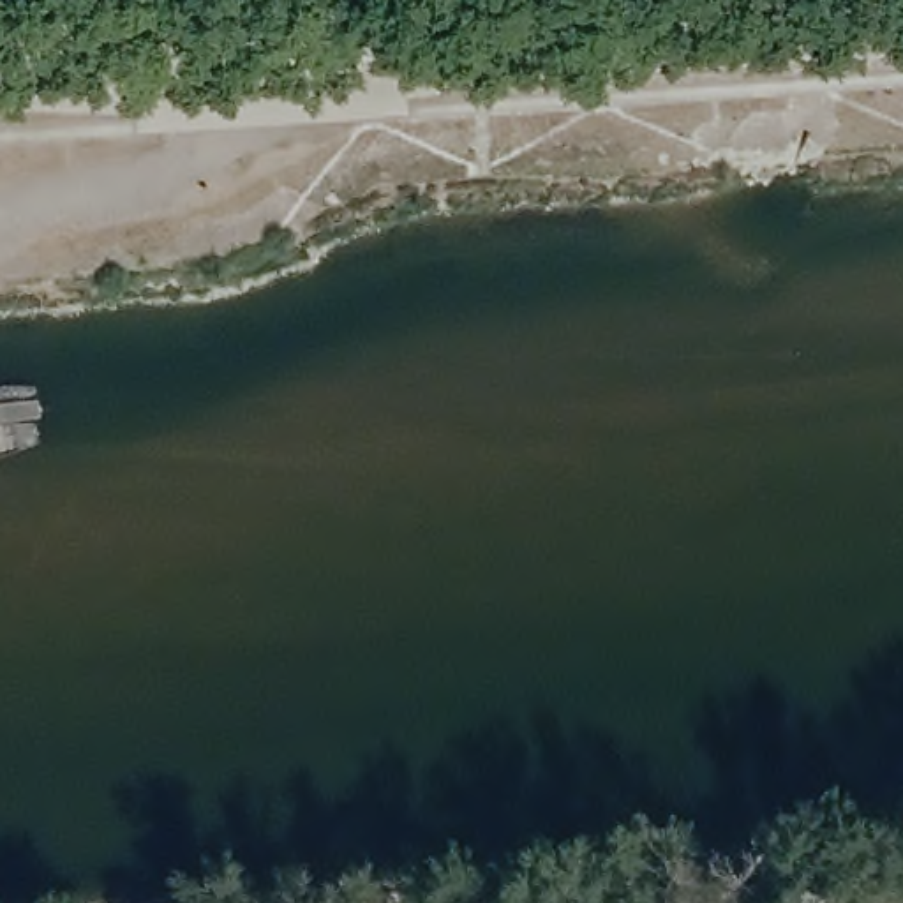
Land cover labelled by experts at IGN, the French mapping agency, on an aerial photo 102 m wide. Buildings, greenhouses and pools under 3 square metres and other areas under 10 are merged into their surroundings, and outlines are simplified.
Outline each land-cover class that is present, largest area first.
<instances>
[{"label":"water","instance_id":"1","mask_svg":"<svg viewBox=\"0 0 903 903\"><path fill-rule=\"evenodd\" d=\"M822 790L850 794L864 822L903 829V190L815 194L790 173L776 176L772 183L748 187L663 208L621 205L557 212L522 208L501 215H437L413 226L360 236L325 254L310 272L275 279L240 296L183 307L138 303L116 310H85L63 317H0V903H180L169 889L166 871L183 875L190 882H215L222 878L226 864H240V882L247 896L261 899L275 889H286V882L303 868L317 889H328V882H339L342 875H353L360 868H370L374 878L402 875L406 885H416L430 871V864L441 861V854L448 850H462V864H473L480 871V882L494 889L504 875V864L515 861V854L536 847L540 840L571 843L603 832L614 836L610 818L617 815H646L656 829L688 825L691 840L702 850H713L716 857H727L734 850L751 857L765 847L772 811L794 815Z\"/></svg>","mask_w":903,"mask_h":903},{"label":"deciduous trees","instance_id":"2","mask_svg":"<svg viewBox=\"0 0 903 903\"><path fill-rule=\"evenodd\" d=\"M363 49L374 53V74L399 78L402 92L420 85L448 88L462 92L476 106L497 102L519 88L561 92L578 106H603L607 88H642L653 71H660L667 81H677L688 71H737L744 63L755 74H780L801 49L811 53V78H843L854 53H885L896 71H903V0H0V120L21 123L28 102L39 95L46 102L74 99L102 106L106 81H116L120 88L123 120L152 113L155 102H173L183 113L215 109L222 116H236L240 102L247 99H286L303 106L307 113H317L325 99L346 102L349 92L363 88L356 63ZM293 236L286 226L272 222L265 226L257 243H243L226 254H205L145 272H127L116 261H106L95 268V275L60 279V289L74 293L85 310H116L138 303V293H145L148 279L205 275L215 286H233L265 275L261 268L275 265V250ZM614 836L603 832L571 843L540 840L536 847L515 854V861L504 864V875L494 889L480 882V871L473 864H462V850H448L441 854V861L430 864V871L416 885H406L402 875L374 878L370 868H360L353 875H342L339 882H328V889H317L303 868L286 882V889H275L261 899L247 896L240 882V864H226L222 878L215 882H190L183 875L166 871L169 889L180 903H903V829L864 822L850 794L822 790L794 815L772 811L765 847L751 857L734 850L727 857H716L713 850H702L691 840L688 825L656 829L646 815H617L610 818Z\"/></svg>","mask_w":903,"mask_h":903},{"label":"impervious surface","instance_id":"3","mask_svg":"<svg viewBox=\"0 0 903 903\"><path fill-rule=\"evenodd\" d=\"M363 88L349 92L346 102L325 99L317 113H307L303 106L286 99H247L240 102L236 116H222L215 109L183 113L173 102H155L152 113L123 120L120 88L116 81H106L102 106L74 99L46 102L39 95L28 102L21 123L0 120V293L53 296L60 289V279L95 275V268L106 261H116L127 272H145L205 254H226L243 243H257L265 226L272 222L286 226L293 236H307L310 219L339 201L346 176H353L360 166L374 159L402 152L406 145L466 169V176H490L497 166L526 155L554 131L561 134L571 127L582 134L586 148H596L617 134L628 145L635 166H663L667 173L727 162L744 173L748 187L772 183L776 176L790 173H797V166L818 162L825 148H868L885 141L889 120L903 131V71H896L885 53H854L843 78H811V53L801 49L780 74H755L744 63L737 71H688L677 81H667L660 71H653L642 88H607L603 106H578L561 92L519 88L497 102L476 106L462 92L448 88L420 85L402 92L399 78L374 74V53L363 49L356 63Z\"/></svg>","mask_w":903,"mask_h":903},{"label":"brushwood","instance_id":"4","mask_svg":"<svg viewBox=\"0 0 903 903\"><path fill-rule=\"evenodd\" d=\"M815 194L903 190V166L871 155L868 148H825L818 162L797 166V173H790ZM748 187L744 173L727 162L667 173L656 187H646L638 183L635 169L603 190H596L589 176H578L571 187L490 176H466L448 180V190H437L434 198H423L416 187L402 183L399 198L374 190L339 201L310 219L307 236H293L275 250V265L261 268L265 275L233 286H215L205 275L148 279L145 293H138V303L183 307L240 296L275 279L310 272L325 254L360 236L413 226L437 215H501L522 208L557 212L621 205L663 208ZM63 317L85 310L74 293L60 289L53 296L0 293V317Z\"/></svg>","mask_w":903,"mask_h":903},{"label":"herbaceous vegetation","instance_id":"5","mask_svg":"<svg viewBox=\"0 0 903 903\"><path fill-rule=\"evenodd\" d=\"M871 155L903 166V131L889 120L885 141L868 148ZM635 169L638 183L646 187H656L667 173L663 166H635L628 145L617 134L596 148H586L582 134L571 127L561 134L554 131L526 155L497 166L490 176L571 187L578 176H589L596 190H603ZM466 176V169L406 145L402 152L374 159L360 166L353 176H346L339 201L374 190L399 198L402 183L416 187L423 198H434L437 190H448V180Z\"/></svg>","mask_w":903,"mask_h":903}]
</instances>
